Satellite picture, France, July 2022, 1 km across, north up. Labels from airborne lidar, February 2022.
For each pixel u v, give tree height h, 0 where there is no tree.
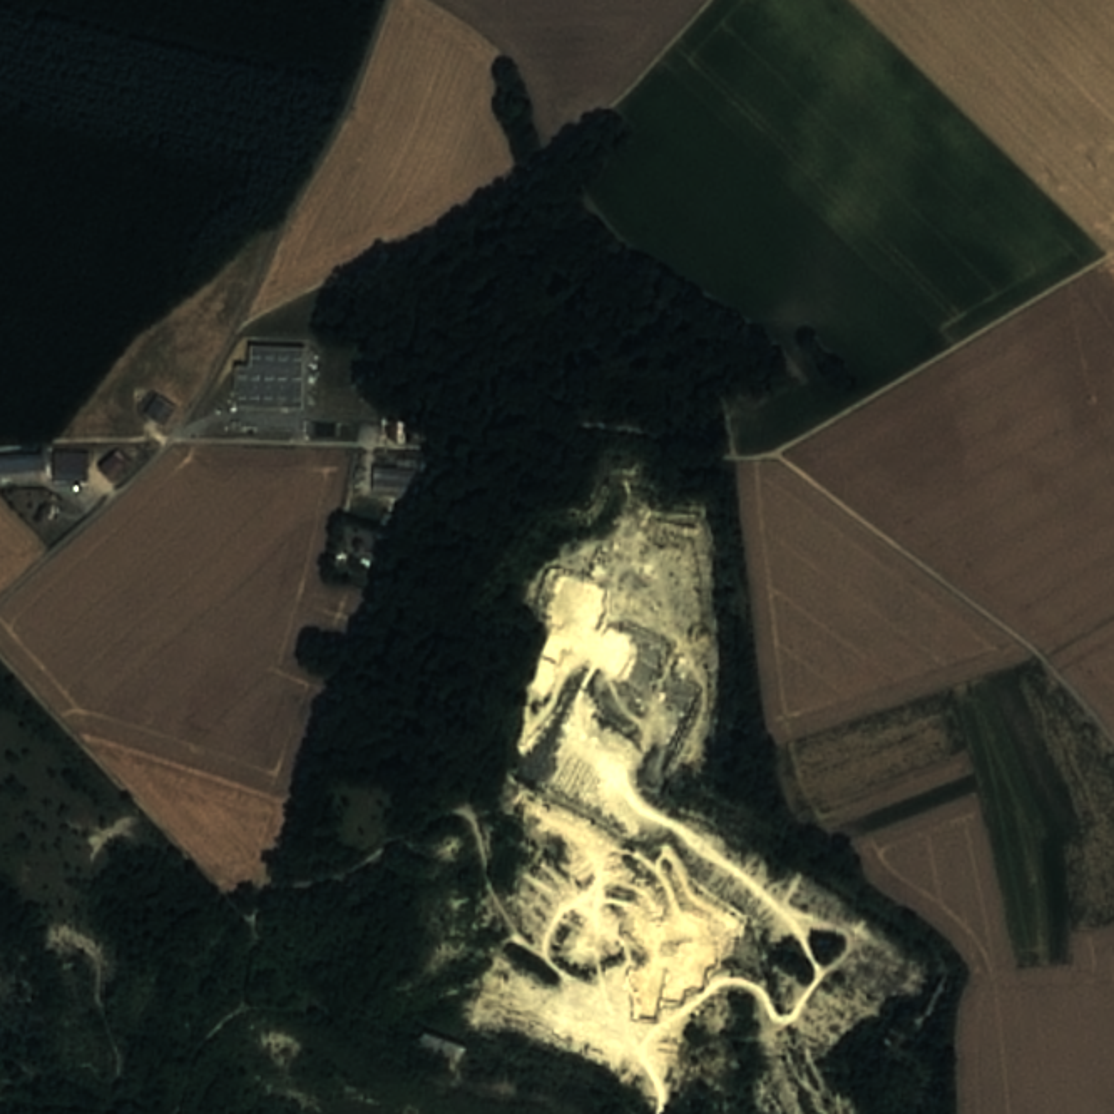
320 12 15
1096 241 0
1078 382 0
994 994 0
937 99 0
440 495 22
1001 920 0
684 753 0
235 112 26
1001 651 0
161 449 0
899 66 0
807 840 12
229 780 0
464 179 0
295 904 15
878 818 0
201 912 12
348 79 14
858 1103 13
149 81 26
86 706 0
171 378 0
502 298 28
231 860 0
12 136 14
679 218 0
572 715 0
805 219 0
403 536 20
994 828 0
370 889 7
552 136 0
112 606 0
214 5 15
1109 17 0
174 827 0
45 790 0
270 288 0
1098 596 0
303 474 0
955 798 0
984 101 0
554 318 24
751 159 0
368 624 19
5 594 0
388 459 0
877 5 0
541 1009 0
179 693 0
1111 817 0
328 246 0
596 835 0
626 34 0
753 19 0
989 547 0
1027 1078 0
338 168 0
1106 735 0
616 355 29
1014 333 0
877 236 0
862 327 0
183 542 0
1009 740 0
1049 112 0
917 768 0
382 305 28
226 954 9
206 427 0
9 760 10
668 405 17
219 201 9
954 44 0
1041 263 0
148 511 0
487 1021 0
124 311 14
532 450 26
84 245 15
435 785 16
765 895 0
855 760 0
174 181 14
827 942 12
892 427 0
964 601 0
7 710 10
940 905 0
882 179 0
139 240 16
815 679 0
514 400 23
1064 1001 0
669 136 0
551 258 27
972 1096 0
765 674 0
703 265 0
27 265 14
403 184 0
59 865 0
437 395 22
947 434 0
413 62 0
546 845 0
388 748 26
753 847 7
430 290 21
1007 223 0
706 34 0
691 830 0
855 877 13
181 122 24
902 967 0
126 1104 13
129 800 10
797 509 0
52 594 0
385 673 24
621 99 0
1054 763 0
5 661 0
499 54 0
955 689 0
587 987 0
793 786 0
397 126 0
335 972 12
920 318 0
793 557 0
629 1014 0
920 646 0
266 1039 0
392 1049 6
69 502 0
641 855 0
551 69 0
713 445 23
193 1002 7
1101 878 0
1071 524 0
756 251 0
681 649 0
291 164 22
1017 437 0
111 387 0
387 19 0
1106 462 0
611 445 7
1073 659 0
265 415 0
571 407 29
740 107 0
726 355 20
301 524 0
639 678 0
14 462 0
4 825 0
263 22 15
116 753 0
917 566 0
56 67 23
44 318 14
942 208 0
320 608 0
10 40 25
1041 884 0
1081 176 0
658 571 0
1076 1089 0
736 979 0
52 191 15
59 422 12
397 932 7
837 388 13
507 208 14
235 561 0
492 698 19
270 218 13
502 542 9
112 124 21
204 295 0
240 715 0
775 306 0
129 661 0
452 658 15
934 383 0
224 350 0
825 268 0
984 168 0
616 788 0
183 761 0
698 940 0
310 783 24
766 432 0
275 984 10
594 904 0
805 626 0
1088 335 0
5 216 14
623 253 14
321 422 0
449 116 0
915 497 0
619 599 0
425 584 27
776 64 0
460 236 21
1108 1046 0
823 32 0
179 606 0
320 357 0
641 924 0
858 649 0
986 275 0
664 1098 0
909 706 0
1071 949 0
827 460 0
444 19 0
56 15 24
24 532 0
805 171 0
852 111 0
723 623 11
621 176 0
